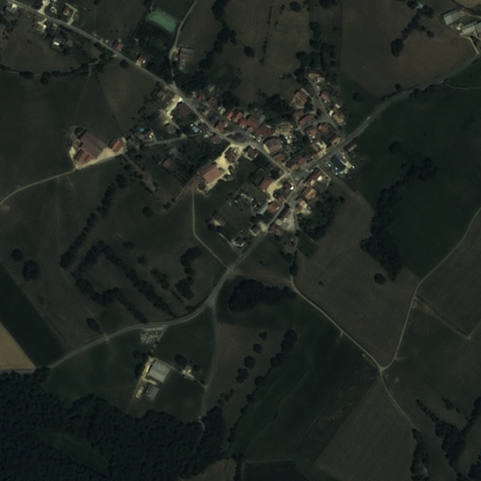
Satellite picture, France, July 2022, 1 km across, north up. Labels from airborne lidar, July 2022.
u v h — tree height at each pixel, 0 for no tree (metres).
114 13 0
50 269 0
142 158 14
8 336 0
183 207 0
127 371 0
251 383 0
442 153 0
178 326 0
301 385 0
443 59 0
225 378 0
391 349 0
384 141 0
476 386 0
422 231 0
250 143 0
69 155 0
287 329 0
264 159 6
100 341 0
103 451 27
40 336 0
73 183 0
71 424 24
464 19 0
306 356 0
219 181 7
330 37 0
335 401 0
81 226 0
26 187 0
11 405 21
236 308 19
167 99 0
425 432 0
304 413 0
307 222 6
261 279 0
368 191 0
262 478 0
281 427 0
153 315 0
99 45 15
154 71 14
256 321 0
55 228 0
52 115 0
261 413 0
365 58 0
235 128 0
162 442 20
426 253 0
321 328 0
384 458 0
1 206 0
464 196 0
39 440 22
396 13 0
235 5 0
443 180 0
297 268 14
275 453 0
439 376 0
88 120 0
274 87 0
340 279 0
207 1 0
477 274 0
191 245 0
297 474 0
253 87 0
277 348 0
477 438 0
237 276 0
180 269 0
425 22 0
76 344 0
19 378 22
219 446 21
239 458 17
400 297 0
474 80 0
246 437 0
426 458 12
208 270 0
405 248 0
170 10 0
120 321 0
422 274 0
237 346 0
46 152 0
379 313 0
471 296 0
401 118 0
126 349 0
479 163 0
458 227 0
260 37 0
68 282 0
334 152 0
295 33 0
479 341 0
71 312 0
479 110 0
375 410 0
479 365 0
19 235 0
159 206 0
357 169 0
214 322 0
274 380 0
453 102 0
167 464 21
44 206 0
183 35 0
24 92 0
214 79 0
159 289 0
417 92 13
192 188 0
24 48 0
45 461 21
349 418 0
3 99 0
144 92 0
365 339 0
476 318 0
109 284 0
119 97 0
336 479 0
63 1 0
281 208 0
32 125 0
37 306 0
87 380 0
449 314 0
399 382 0
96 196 0
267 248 0
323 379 0
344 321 0
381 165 0
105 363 0
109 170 0
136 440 23
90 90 0
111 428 25
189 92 8
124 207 0
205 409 0
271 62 0
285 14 0
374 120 0
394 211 0
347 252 0
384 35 0
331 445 0
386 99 7
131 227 0
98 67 11
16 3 0
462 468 0
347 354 0
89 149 0
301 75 21
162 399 0
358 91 0
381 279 19
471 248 0
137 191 0
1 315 0
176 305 0
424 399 0
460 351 0
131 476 28
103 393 0
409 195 0
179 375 0
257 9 0
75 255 15
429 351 0
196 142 6
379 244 9
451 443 22
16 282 0
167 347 0
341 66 0
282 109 14
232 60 0
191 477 21
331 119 0
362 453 0
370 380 0
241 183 0
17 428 22
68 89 0
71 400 0
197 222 0
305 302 0
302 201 0
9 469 22
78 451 0
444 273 0
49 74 12
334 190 0
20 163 0
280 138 8
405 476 0
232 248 0
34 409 21
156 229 0
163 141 0
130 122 0
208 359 0
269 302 23
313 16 0
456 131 0
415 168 18
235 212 0
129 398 0
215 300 0
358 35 0
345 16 0
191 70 0
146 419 18
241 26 0
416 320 0
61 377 0
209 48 0
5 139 0
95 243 0
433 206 0
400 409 0
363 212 0
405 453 0
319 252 0
